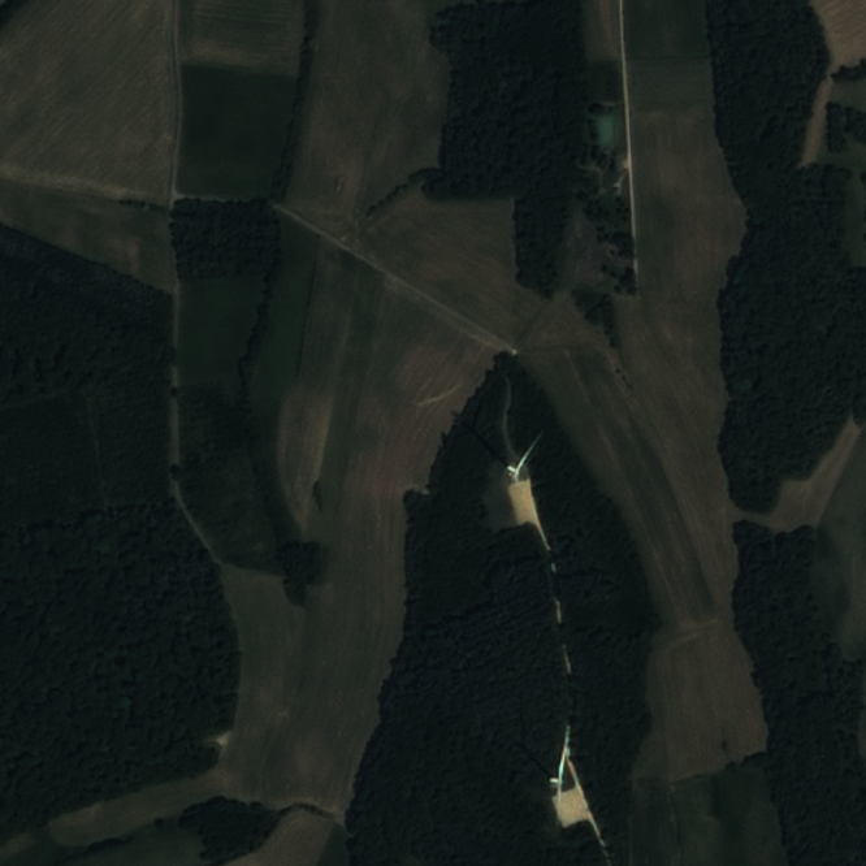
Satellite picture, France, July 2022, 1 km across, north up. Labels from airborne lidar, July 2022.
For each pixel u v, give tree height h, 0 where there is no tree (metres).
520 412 7
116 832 0
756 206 20
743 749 0
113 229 0
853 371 17
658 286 0
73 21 0
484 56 19
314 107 0
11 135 0
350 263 0
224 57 0
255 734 0
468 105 17
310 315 0
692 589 0
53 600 20
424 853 8
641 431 0
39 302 22
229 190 0
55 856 0
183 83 0
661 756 0
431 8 0
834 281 16
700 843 0
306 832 0
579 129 17
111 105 0
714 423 0
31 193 0
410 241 0
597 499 11
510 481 0
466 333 0
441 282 0
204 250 18
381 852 21
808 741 20
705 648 0
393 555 0
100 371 15
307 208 0
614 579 6
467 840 14
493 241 0
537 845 10
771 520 0
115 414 6
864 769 14
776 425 22
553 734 16
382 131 0
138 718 26
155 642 25
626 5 0
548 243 19
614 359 0
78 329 21
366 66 0
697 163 0
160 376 6
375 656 0
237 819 19
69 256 9
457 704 17
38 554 26
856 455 0
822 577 0
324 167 0
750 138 23
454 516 7
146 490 6
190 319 0
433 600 8
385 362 0
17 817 19
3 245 16
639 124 0
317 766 0
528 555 7
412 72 0
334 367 0
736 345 23
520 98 19
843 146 15
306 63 6
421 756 15
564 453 11
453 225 0
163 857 0
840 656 13
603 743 17
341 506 0
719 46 15
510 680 15
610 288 0
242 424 8
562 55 21
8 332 22
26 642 23
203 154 0
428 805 14
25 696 25
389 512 0
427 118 0
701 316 0
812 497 0
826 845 21
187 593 16
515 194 20
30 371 23
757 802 0
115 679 25
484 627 22
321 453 0
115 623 26
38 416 6
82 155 0
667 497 0
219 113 0
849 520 0
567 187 24
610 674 19
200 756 22
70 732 22
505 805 10
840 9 0
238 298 0
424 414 0
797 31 21
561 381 0
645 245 0
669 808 0
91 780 24
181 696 23
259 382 0
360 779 12
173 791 0
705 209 0
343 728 0
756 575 28
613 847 16
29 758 24
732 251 0
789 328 16
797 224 23
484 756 10
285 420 0
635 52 0
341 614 0
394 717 24
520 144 27
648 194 0
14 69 0
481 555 7
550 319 0
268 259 24
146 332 13
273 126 0
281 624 0
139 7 0
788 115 15
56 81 0
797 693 21
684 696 0
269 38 0
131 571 25
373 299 0
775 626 21
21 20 0
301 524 0
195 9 0
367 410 0
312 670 0
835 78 11
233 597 0
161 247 0
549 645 16
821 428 16
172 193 0
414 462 0
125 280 12
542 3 17
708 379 0
